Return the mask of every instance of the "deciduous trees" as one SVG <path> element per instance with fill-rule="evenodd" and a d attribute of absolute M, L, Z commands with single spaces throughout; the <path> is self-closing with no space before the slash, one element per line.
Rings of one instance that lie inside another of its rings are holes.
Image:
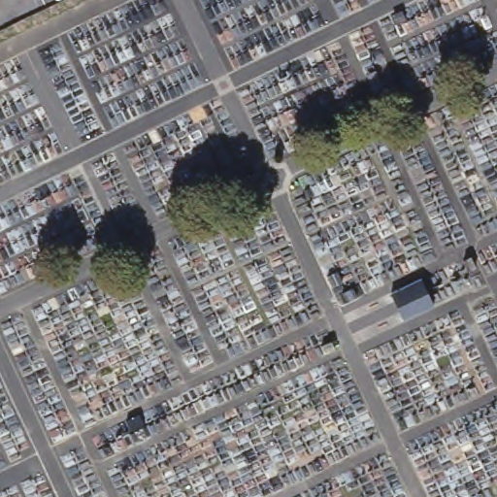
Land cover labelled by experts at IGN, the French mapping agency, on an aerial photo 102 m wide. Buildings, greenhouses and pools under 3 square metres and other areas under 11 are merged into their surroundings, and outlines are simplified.
<path fill-rule="evenodd" d="M 142 245 L 132 241 L 105 241 L 95 245 L 95 252 L 91 256 L 89 272 L 93 282 L 101 293 L 122 301 L 140 295 L 148 280 L 151 254 Z"/>
<path fill-rule="evenodd" d="M 371 144 L 382 144 L 394 151 L 406 151 L 417 146 L 427 134 L 425 118 L 415 113 L 400 113 L 402 105 L 410 103 L 410 97 L 386 95 L 382 99 L 373 99 L 371 109 L 363 115 L 351 105 L 346 115 L 336 115 L 336 128 L 311 132 L 307 136 L 297 136 L 293 132 L 293 163 L 299 169 L 318 175 L 338 165 L 340 155 L 346 149 L 363 149 Z"/>
<path fill-rule="evenodd" d="M 186 188 L 181 188 L 175 196 L 169 196 L 167 217 L 171 227 L 186 243 L 208 243 L 217 237 L 217 233 L 223 233 L 227 239 L 252 237 L 254 227 L 258 225 L 258 217 L 266 208 L 272 206 L 272 194 L 248 181 L 241 173 L 219 173 L 215 169 L 210 169 L 184 182 Z"/>
<path fill-rule="evenodd" d="M 37 283 L 49 285 L 54 289 L 72 287 L 76 283 L 82 254 L 70 248 L 56 248 L 47 252 L 39 247 L 35 266 L 31 268 Z"/>
<path fill-rule="evenodd" d="M 433 99 L 447 107 L 448 113 L 454 118 L 474 118 L 480 113 L 480 103 L 476 95 L 485 93 L 485 74 L 480 74 L 474 68 L 474 62 L 470 60 L 441 60 L 435 66 L 437 76 L 433 85 Z"/>

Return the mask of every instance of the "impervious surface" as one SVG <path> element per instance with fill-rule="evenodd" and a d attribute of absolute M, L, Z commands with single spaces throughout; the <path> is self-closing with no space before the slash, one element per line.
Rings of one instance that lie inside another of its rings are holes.
<path fill-rule="evenodd" d="M 470 60 L 474 62 L 474 68 L 480 74 L 485 74 L 485 93 L 476 95 L 480 103 L 480 113 L 474 118 L 454 118 L 448 113 L 447 107 L 433 99 L 433 85 L 437 76 L 435 66 L 441 60 Z M 406 151 L 394 151 L 382 144 L 371 144 L 363 149 L 346 149 L 340 155 L 338 165 L 318 175 L 299 169 L 293 163 L 293 132 L 297 136 L 307 136 L 311 132 L 336 128 L 336 115 L 346 115 L 351 105 L 363 115 L 371 109 L 373 99 L 382 99 L 386 95 L 410 97 L 410 103 L 402 105 L 400 113 L 415 113 L 425 118 L 427 134 L 417 146 Z M 248 181 L 272 194 L 272 206 L 266 208 L 258 217 L 258 225 L 254 227 L 252 237 L 227 239 L 223 233 L 217 233 L 217 237 L 208 243 L 186 243 L 171 227 L 167 217 L 169 196 L 175 196 L 181 188 L 186 188 L 184 182 L 210 169 L 215 169 L 219 173 L 241 173 Z M 148 280 L 140 295 L 122 301 L 101 293 L 93 282 L 89 272 L 91 256 L 95 252 L 95 245 L 105 241 L 132 241 L 142 245 L 151 254 Z M 82 254 L 76 283 L 72 287 L 54 289 L 49 285 L 37 283 L 31 268 L 35 266 L 39 247 L 47 252 L 56 248 L 70 248 Z M 433 311 L 429 311 L 427 315 L 417 316 L 410 322 L 404 322 L 404 318 L 398 313 L 400 307 L 392 299 L 392 283 L 396 287 L 402 287 L 414 280 L 421 280 L 425 285 L 425 291 L 433 301 Z M 0 497 L 497 497 L 497 0 L 0 0 Z"/>

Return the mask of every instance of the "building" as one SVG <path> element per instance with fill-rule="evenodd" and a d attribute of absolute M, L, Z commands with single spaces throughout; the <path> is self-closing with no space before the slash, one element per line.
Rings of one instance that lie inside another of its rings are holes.
<path fill-rule="evenodd" d="M 392 299 L 400 307 L 398 313 L 404 318 L 404 322 L 410 322 L 417 316 L 427 315 L 429 311 L 433 311 L 433 301 L 425 291 L 425 285 L 421 280 L 414 280 L 402 287 L 396 287 L 392 283 Z"/>

